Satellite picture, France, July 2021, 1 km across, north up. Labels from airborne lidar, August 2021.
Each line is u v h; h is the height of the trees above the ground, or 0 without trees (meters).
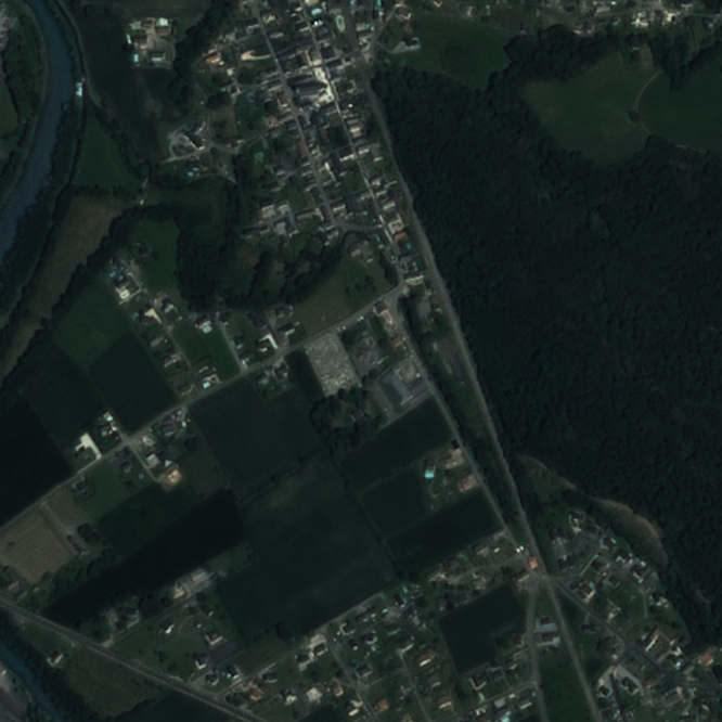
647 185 17
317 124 12
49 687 30
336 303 0
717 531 29
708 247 14
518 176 25
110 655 0
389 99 18
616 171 8
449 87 20
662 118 0
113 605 6
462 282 24
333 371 0
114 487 0
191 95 20
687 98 0
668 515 30
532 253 14
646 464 32
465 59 0
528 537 0
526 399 25
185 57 15
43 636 0
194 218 9
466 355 0
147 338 6
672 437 26
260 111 0
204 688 0
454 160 21
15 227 0
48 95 0
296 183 18
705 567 26
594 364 22
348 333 9
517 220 19
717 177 17
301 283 16
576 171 17
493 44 0
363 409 17
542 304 13
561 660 0
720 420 25
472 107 22
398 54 0
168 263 0
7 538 0
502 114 20
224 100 19
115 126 12
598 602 8
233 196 16
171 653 0
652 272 16
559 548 0
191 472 0
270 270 17
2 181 19
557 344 20
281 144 12
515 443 21
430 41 0
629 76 0
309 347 0
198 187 9
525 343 16
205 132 0
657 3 0
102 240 0
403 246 7
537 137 24
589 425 33
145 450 0
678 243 21
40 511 0
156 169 11
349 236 0
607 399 20
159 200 0
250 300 16
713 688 0
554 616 0
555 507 7
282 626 14
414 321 22
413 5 0
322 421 31
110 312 0
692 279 16
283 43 6
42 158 0
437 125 19
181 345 0
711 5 13
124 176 0
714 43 8
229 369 0
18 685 11
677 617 0
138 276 0
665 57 6
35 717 21
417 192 12
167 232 0
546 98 0
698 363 12
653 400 17
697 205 19
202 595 9
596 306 28
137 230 8
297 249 0
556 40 23
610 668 0
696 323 17
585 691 0
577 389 22
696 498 26
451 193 24
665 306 14
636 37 18
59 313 21
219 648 0
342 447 26
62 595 13
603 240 20
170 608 16
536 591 0
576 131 0
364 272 0
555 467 26
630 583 0
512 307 12
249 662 0
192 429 6
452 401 23
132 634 0
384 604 0
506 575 11
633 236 25
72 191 19
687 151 7
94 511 0
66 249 0
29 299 15
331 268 21
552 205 24
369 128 6
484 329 22
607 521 8
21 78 26
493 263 21
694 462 20
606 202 21
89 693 0
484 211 24
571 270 13
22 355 0
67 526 0
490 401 13
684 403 21
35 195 0
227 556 0
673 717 0
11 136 7
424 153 21
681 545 19
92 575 17
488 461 19
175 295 0
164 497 0
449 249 24
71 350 0
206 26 15
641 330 24
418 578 10
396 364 0
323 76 0
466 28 0
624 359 23
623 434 26
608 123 0
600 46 25
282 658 0
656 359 17
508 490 9
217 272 20
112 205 0
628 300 17
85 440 0
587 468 32
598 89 0
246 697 7
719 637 12
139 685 8
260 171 0
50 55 0
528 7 6
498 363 21
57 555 0
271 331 0
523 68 25
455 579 0
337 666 9
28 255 32
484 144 23
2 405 21
